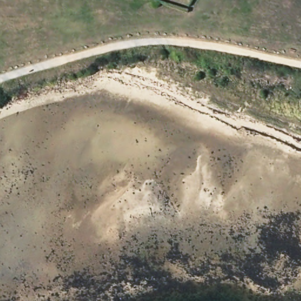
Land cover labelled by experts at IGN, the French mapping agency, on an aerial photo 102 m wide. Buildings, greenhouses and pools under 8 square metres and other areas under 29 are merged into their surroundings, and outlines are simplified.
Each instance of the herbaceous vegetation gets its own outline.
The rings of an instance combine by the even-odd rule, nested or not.
[[[152,60],[169,58],[175,62],[195,63],[203,69],[196,74],[194,80],[183,83],[183,87],[205,93],[214,105],[236,112],[240,108],[245,108],[245,102],[249,102],[252,107],[247,112],[248,115],[254,116],[260,122],[273,123],[274,126],[282,128],[289,123],[301,125],[301,76],[293,78],[289,75],[286,79],[277,76],[275,72],[256,72],[248,69],[246,62],[243,66],[236,63],[236,55],[176,45],[138,46],[88,56],[0,83],[0,108],[8,105],[12,98],[26,99],[32,88],[42,88],[53,83],[58,85],[62,81],[85,78],[103,69],[128,67],[138,62],[142,62],[142,66],[146,67],[150,66]],[[259,88],[249,86],[252,81],[265,86],[283,83],[286,87],[263,98]]]
[[[219,42],[301,60],[301,0],[198,0],[193,11],[188,12],[187,9],[166,2],[159,8],[150,7],[141,0],[0,0],[0,74],[58,56],[113,44],[116,41],[172,36]]]
[[[285,254],[289,259],[283,266],[301,267],[301,213],[279,214],[276,215],[274,222],[263,223],[259,240],[254,248],[249,248],[245,260],[240,256],[222,254],[222,261],[233,261],[235,266],[239,267],[236,272],[233,272],[230,266],[212,263],[212,257],[207,257],[207,261],[201,261],[201,266],[198,266],[196,256],[190,257],[181,253],[179,243],[168,240],[170,249],[167,259],[172,263],[178,260],[187,274],[202,276],[205,280],[203,282],[212,285],[230,285],[232,282],[236,286],[252,289],[255,294],[280,294],[277,288],[281,286],[280,282],[274,277],[267,276],[266,279],[262,279],[262,274],[257,276],[262,272],[261,262],[274,265],[280,254]]]
[[[189,287],[195,286],[195,282],[175,279],[172,272],[163,268],[165,263],[156,261],[155,256],[140,259],[120,255],[123,263],[118,263],[111,274],[101,272],[91,275],[89,268],[85,267],[82,272],[65,276],[62,288],[65,292],[76,288],[76,301],[141,301],[139,296],[154,296],[173,286],[181,293],[186,293]]]

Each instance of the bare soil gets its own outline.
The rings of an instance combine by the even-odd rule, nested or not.
[[[156,261],[165,263],[163,268],[172,272],[175,279],[195,282],[203,282],[205,280],[202,276],[187,274],[178,260],[172,263],[167,259],[170,249],[168,240],[179,243],[181,253],[190,257],[196,256],[198,266],[201,266],[201,261],[207,261],[207,257],[212,257],[212,263],[230,266],[233,272],[236,272],[239,267],[235,266],[233,261],[222,261],[222,254],[240,256],[245,260],[249,248],[254,248],[259,240],[263,223],[274,222],[276,215],[279,214],[301,213],[301,125],[289,123],[282,128],[274,126],[273,123],[260,122],[254,116],[248,115],[247,112],[252,107],[249,102],[245,102],[245,108],[240,108],[236,112],[214,105],[205,93],[183,87],[183,83],[194,80],[196,74],[203,69],[195,63],[175,62],[169,58],[152,60],[150,66],[146,67],[142,66],[142,62],[138,62],[128,67],[103,69],[85,78],[62,81],[58,85],[53,83],[42,88],[32,88],[26,99],[12,98],[8,105],[0,108],[0,301],[76,301],[76,288],[65,292],[62,288],[65,276],[82,272],[85,267],[89,268],[91,275],[101,272],[111,274],[118,263],[123,263],[120,255],[140,259],[155,256]]]
[[[280,254],[274,265],[261,262],[262,272],[257,276],[262,274],[262,279],[266,279],[267,276],[274,277],[280,282],[281,286],[277,288],[280,294],[301,294],[301,267],[283,266],[289,259],[285,254]]]

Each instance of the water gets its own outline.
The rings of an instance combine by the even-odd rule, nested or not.
[[[252,289],[236,286],[232,282],[230,285],[212,285],[203,282],[195,282],[195,286],[189,287],[186,293],[181,293],[173,286],[154,296],[139,296],[141,301],[301,301],[301,294],[280,294],[255,294]]]

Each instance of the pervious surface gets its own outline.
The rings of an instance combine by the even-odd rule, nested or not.
[[[236,55],[252,56],[301,68],[301,60],[219,42],[172,36],[116,41],[113,44],[58,56],[0,74],[0,83],[88,56],[138,46],[176,45]]]

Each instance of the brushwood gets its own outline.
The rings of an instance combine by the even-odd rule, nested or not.
[[[150,7],[159,8],[166,2],[187,9],[188,12],[193,11],[198,0],[141,0]]]
[[[259,88],[263,98],[286,87],[283,83],[265,86],[252,81],[249,86]]]
[[[301,68],[252,56],[236,55],[236,63],[243,66],[246,62],[248,69],[256,72],[275,72],[277,76],[286,79],[289,75],[293,78],[301,76]]]

